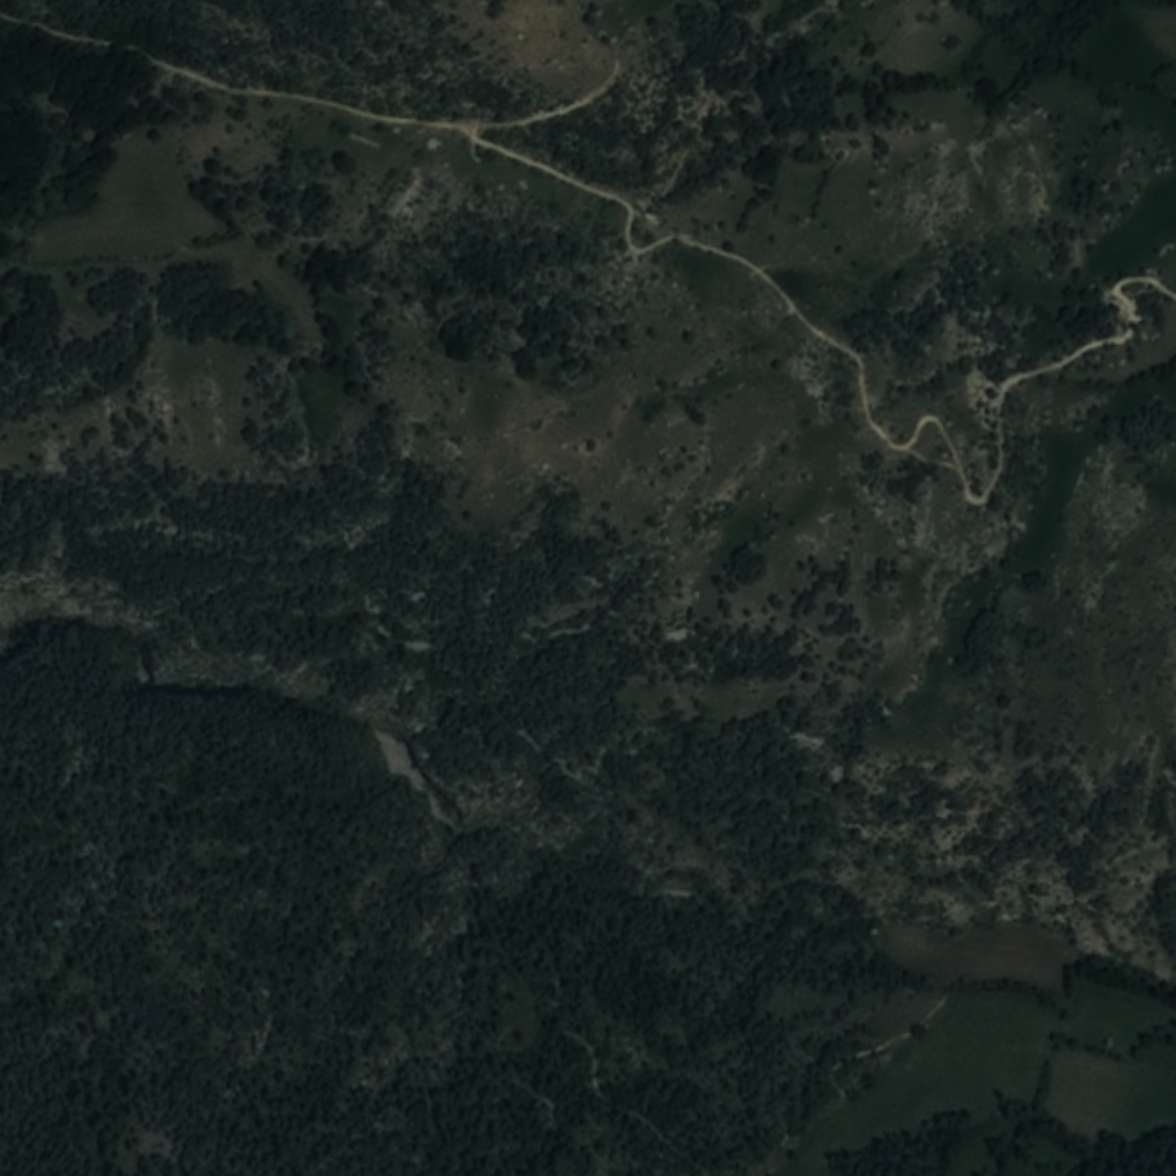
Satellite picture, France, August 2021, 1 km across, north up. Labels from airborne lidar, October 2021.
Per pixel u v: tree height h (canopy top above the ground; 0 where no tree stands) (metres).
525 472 0
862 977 12
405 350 0
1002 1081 0
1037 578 8
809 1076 7
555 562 13
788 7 7
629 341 11
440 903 12
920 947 0
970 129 0
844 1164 12
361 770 12
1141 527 0
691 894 6
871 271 0
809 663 6
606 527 8
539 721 8
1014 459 7
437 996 11
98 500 6
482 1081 9
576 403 0
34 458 9
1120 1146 15
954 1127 13
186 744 9
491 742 13
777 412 0
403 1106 18
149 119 11
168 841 10
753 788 9
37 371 7
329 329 18
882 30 0
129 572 9
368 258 6
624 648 9
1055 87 0
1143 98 0
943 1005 0
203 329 16
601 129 8
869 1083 12
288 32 10
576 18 0
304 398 8
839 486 0
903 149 0
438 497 7
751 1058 14
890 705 7
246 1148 16
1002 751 8
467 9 0
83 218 0
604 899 9
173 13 6
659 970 16
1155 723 0
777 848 14
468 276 9
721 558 0
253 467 0
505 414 0
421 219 0
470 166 0
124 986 12
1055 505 0
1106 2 8
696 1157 10
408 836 5
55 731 11
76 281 10
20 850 10
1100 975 13
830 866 10
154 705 8
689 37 8
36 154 13
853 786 8
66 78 18
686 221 0
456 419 0
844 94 15
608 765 12
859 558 0
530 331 8
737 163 15
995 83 11
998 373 6
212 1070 10
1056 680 0
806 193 0
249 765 9
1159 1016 0
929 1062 0
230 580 8
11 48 16
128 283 9
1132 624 0
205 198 17
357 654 8
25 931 14
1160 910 9
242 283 0
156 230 0
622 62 0
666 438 0
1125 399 0
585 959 9
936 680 0
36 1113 14
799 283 0
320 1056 13
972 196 0
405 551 10
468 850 6
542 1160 9
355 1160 8
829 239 0
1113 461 0
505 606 8
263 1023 11
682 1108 7
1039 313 6
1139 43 0
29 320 16
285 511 7
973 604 0
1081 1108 0
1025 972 0
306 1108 14
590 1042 6
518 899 7
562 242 11
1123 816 11
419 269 6
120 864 11
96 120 19
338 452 7
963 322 6
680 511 0
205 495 6
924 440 0
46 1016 22
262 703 11
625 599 8
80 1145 7
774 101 23
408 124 0
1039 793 11
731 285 0
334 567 7
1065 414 0
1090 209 7
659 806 9
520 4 0
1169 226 0
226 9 6
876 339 6
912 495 6
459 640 10
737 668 8
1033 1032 0
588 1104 8
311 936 8
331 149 0
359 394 13
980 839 8
